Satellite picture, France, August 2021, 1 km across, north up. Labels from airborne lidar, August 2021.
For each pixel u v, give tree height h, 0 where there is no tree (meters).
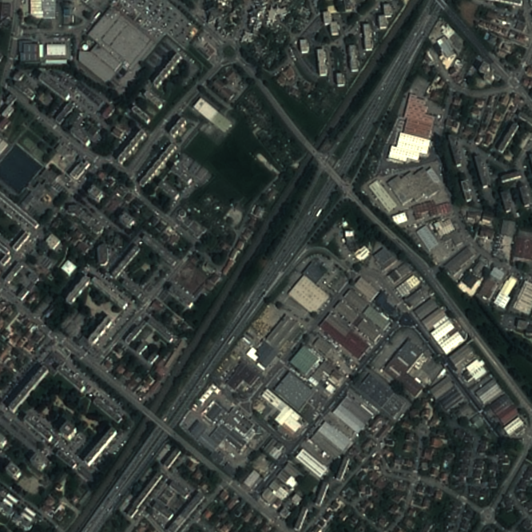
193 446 0
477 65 0
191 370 0
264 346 0
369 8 15
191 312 10
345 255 0
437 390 0
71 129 17
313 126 0
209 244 23
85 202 8
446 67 0
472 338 0
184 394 0
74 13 0
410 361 0
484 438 8
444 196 0
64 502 0
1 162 0
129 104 9
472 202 8
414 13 7
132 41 0
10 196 7
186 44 0
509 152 6
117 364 8
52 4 0
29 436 0
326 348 0
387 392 0
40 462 0
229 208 0
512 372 13
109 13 0
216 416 0
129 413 0
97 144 8
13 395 0
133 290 0
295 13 6
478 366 0
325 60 0
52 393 11
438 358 10
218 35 0
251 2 0
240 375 0
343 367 0
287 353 0
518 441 14
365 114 0
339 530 7
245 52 14
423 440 7
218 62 0
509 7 7
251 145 0
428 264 0
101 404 0
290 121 0
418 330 0
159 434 0
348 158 0
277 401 0
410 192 0
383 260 0
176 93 0
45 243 17
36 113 0
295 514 15
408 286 0
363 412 0
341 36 0
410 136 0
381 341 0
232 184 0
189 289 0
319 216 0
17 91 0
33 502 0
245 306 0
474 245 0
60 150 0
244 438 0
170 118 0
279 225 14
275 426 8
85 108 0
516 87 0
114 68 0
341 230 0
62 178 0
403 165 0
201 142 0
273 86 0
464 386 0
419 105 0
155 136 0
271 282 0
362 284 0
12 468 0
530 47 0
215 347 0
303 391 0
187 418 0
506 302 0
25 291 0
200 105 0
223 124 0
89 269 0
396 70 0
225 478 0
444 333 0
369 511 9
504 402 0
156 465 7
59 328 13
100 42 0
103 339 0
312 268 0
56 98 17
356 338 0
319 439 0
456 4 14
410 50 0
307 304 0
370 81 8
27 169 0
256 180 0
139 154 0
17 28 0
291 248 0
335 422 0
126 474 0
